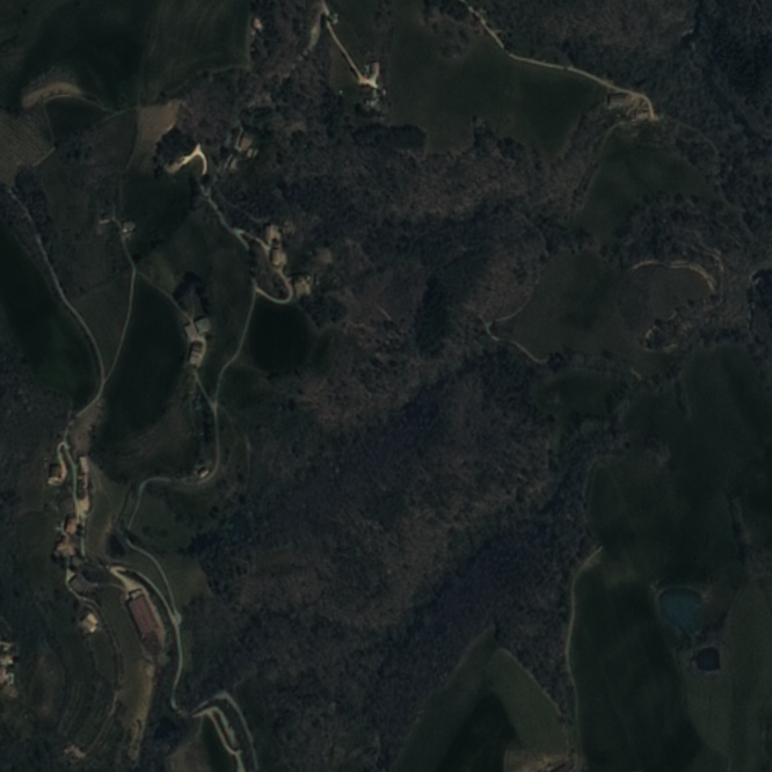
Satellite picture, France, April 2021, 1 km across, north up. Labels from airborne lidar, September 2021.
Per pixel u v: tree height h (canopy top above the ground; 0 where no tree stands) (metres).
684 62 21
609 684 0
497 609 16
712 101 13
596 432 19
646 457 0
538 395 0
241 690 0
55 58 0
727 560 0
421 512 12
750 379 0
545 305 0
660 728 0
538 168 13
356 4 0
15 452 8
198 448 6
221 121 13
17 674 0
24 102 0
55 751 17
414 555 10
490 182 10
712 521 0
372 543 13
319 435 17
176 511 17
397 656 18
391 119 0
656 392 15
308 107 11
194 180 16
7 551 14
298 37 9
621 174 0
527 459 8
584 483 10
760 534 0
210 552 20
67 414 6
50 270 13
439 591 25
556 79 0
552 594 18
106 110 0
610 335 0
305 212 16
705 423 0
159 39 0
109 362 0
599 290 0
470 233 20
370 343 10
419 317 10
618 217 0
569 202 11
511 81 0
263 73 10
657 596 0
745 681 0
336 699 16
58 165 0
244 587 13
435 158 10
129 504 0
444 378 23
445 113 0
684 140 9
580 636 0
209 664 7
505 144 9
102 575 8
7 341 9
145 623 0
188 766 0
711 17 21
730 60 22
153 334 0
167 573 0
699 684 0
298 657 12
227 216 10
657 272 0
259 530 17
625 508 0
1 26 8
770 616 0
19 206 14
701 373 0
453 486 12
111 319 0
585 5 13
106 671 0
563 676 14
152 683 0
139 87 0
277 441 9
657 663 0
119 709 7
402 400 9
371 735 18
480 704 0
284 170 9
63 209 0
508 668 0
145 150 0
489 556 12
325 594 13
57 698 0
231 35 0
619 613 0
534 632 19
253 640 17
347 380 10
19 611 7
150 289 0
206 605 12
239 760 0
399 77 0
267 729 0
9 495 13
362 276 14
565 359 11
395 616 12
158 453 0
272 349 0
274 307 0
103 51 0
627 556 0
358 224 14
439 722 0
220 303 0
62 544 0
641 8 8
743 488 0
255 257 12
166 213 0
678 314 10
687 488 0
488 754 0
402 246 20
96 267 0
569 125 0
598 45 13
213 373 0
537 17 14
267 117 8
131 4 0
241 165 13
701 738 0
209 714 0
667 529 0
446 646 21
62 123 0
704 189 0
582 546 18
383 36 6
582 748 0
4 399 12
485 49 0
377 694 20
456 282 15
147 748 11
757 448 0
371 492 15
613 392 0
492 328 6
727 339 14
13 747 12
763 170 14
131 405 0
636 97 0
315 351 0
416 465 14
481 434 14
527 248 13
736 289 14
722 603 0
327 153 15
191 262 0
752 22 10
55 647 10
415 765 0
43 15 0
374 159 16
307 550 14
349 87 0
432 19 16
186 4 0
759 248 12
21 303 0
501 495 14
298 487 22
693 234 17
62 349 0
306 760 12
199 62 0
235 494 7
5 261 0
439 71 0
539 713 0
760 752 0
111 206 13
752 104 12
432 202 12
